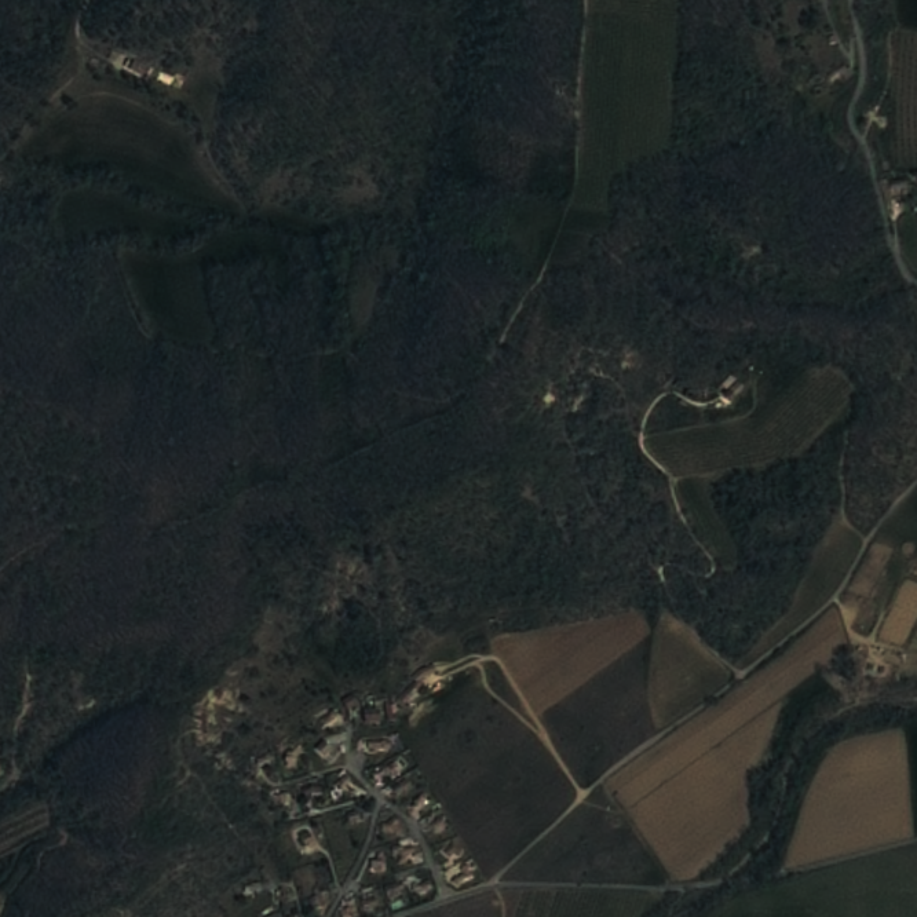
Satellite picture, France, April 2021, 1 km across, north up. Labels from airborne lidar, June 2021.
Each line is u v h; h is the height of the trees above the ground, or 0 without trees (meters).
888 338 12
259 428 11
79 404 12
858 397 13
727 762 0
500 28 25
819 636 0
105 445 14
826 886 0
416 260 7
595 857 0
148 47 13
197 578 14
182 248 16
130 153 0
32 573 12
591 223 0
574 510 11
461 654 0
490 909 0
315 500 17
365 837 0
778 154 16
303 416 16
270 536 22
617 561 14
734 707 0
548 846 0
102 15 18
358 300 0
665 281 16
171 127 0
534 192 9
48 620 17
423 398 20
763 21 14
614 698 0
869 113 0
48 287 10
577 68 12
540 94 19
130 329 13
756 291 9
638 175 15
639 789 0
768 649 0
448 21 11
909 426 10
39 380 19
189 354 16
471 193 14
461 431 14
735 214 18
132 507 10
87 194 0
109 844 12
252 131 13
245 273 18
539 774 0
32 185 18
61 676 11
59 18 22
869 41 12
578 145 14
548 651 0
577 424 9
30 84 25
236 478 12
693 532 7
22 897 9
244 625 12
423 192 19
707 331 11
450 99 19
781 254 16
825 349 15
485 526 13
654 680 0
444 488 17
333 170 14
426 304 18
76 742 14
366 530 16
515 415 13
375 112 19
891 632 0
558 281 17
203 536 12
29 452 10
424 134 13
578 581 17
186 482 12
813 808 0
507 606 8
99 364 12
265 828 8
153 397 21
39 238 18
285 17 14
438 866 0
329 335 21
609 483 12
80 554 8
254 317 11
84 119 0
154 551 14
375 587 6
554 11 15
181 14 16
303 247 16
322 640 16
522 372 14
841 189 15
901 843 0
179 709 12
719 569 12
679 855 0
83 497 17
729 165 15
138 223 0
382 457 18
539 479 9
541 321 8
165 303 0
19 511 10
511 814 0
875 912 0
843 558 0
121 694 11
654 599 12
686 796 0
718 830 0
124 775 15
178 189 0
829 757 0
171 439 19
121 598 15
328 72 20
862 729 6
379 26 20
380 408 12
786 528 13
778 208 15
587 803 0
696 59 14
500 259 14
